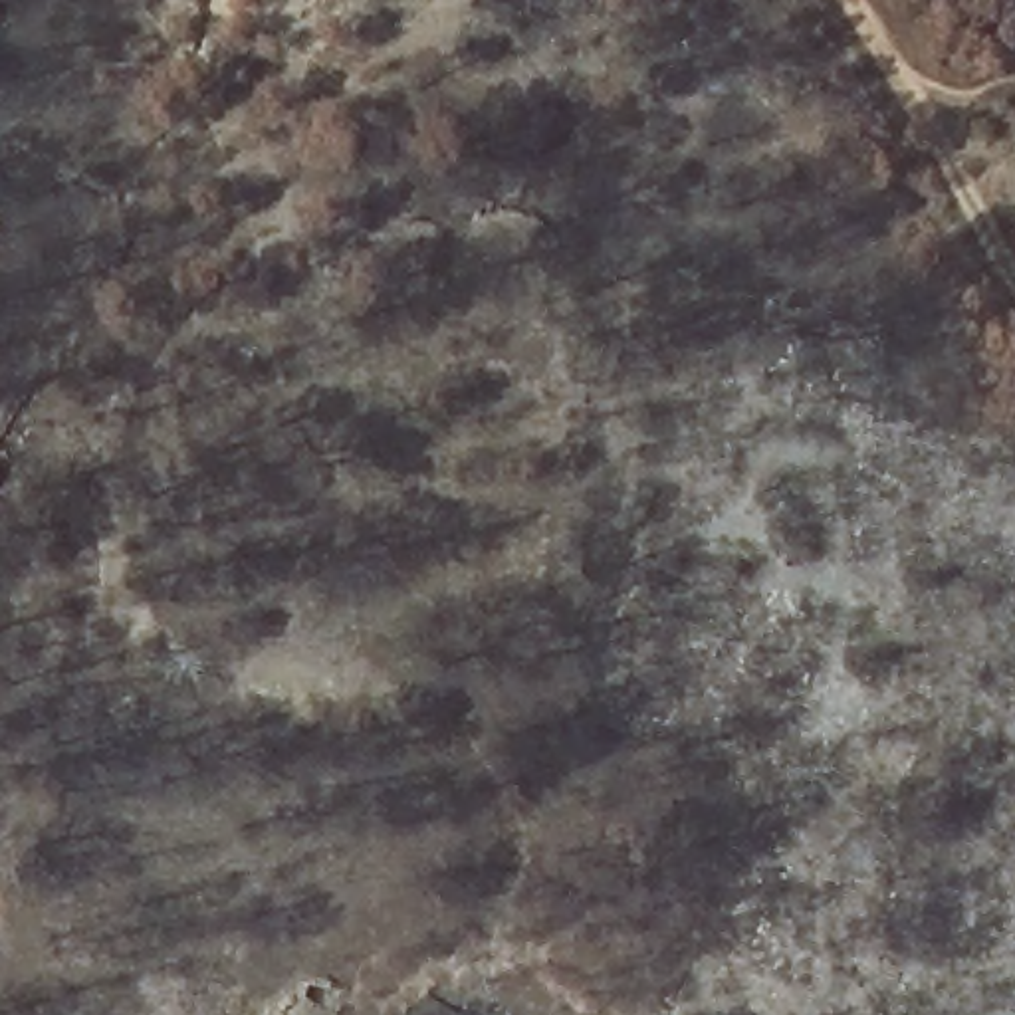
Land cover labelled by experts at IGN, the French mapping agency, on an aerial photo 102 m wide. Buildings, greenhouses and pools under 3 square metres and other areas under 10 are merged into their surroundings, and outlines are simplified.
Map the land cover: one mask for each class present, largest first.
<instances>
[{"label":"bare soil","instance_id":"1","mask_svg":"<svg viewBox=\"0 0 1015 1015\"><path fill-rule=\"evenodd\" d=\"M880 24L888 28L892 44L912 63V71L936 79L928 99H908L892 87V67L868 52L852 16H845L841 0H0V1015H1015V444L1007 436L940 432L924 400L928 337L896 313V297L904 254L920 258L936 238L967 230V222L979 218L987 206H1015V0H868Z\"/></svg>","mask_w":1015,"mask_h":1015},{"label":"coniferous trees","instance_id":"2","mask_svg":"<svg viewBox=\"0 0 1015 1015\"><path fill-rule=\"evenodd\" d=\"M896 313L928 337L924 400L940 432L1007 436L1015 444V206H987L979 218L967 222V230L936 238L920 258L904 254L896 297Z\"/></svg>","mask_w":1015,"mask_h":1015},{"label":"pervious surface","instance_id":"3","mask_svg":"<svg viewBox=\"0 0 1015 1015\"><path fill-rule=\"evenodd\" d=\"M845 16H852L868 52L892 67V87L908 99H928L936 79L912 71V63L892 44L888 28L880 24L868 0H841Z\"/></svg>","mask_w":1015,"mask_h":1015}]
</instances>
